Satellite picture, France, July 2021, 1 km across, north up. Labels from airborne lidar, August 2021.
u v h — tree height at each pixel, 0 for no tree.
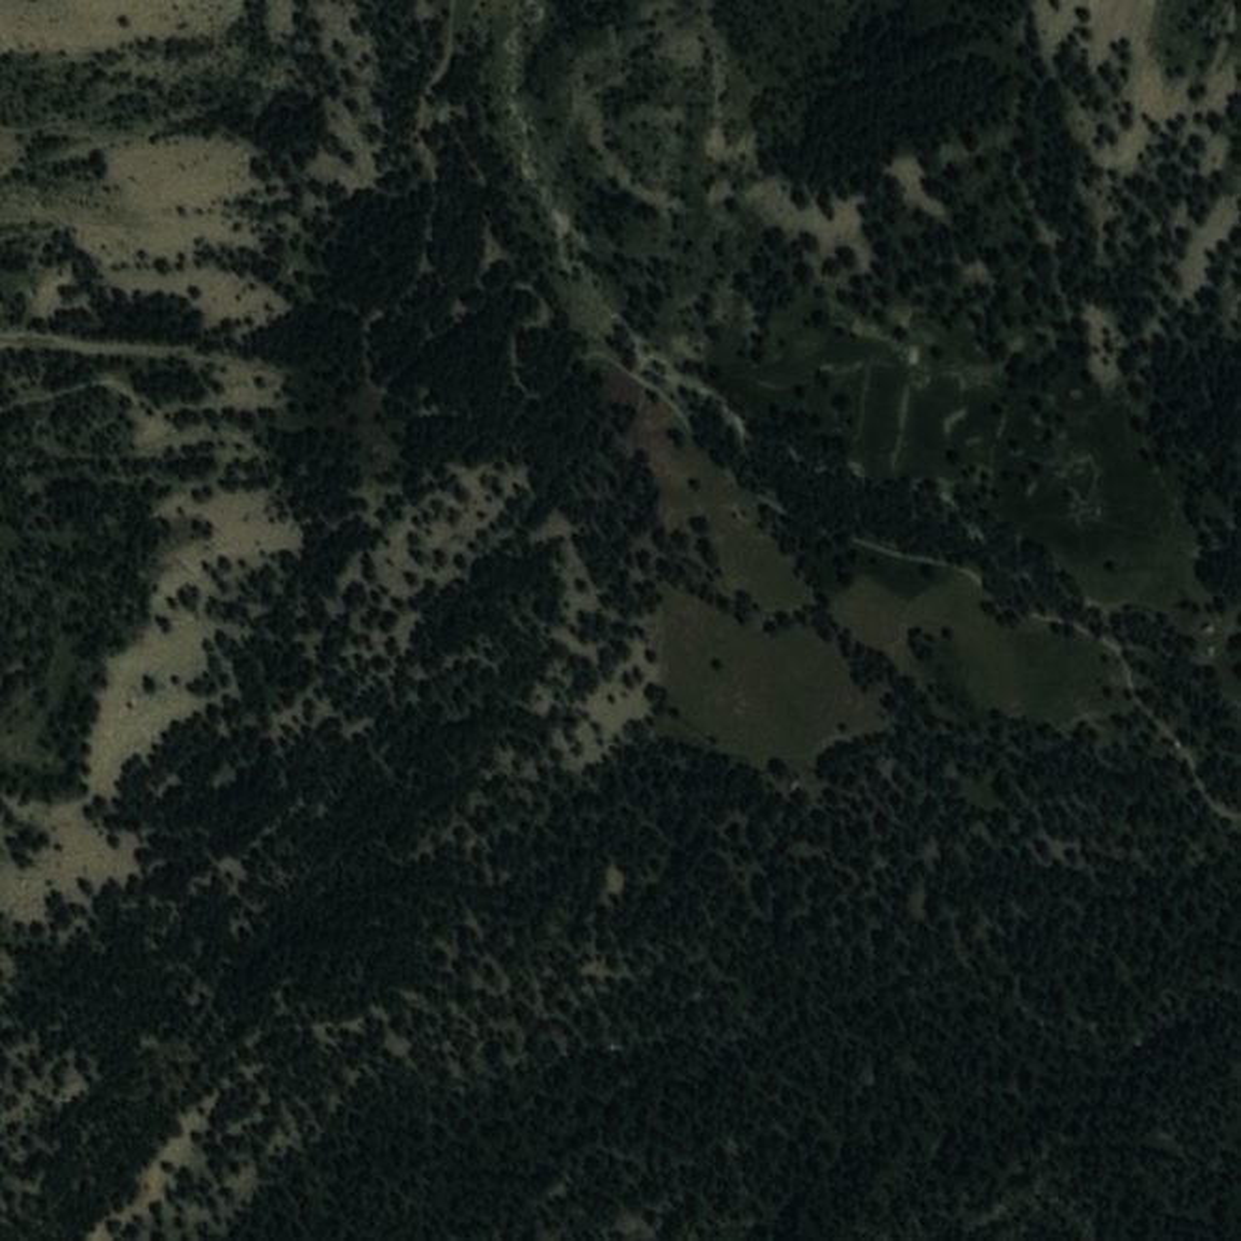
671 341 0
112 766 0
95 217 0
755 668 0
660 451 0
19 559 17
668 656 0
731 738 0
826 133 22
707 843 22
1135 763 13
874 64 17
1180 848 19
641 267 20
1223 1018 19
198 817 19
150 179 0
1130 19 0
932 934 26
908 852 10
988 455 0
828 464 11
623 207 20
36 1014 9
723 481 0
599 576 22
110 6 0
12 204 0
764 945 20
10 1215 7
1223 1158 12
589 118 0
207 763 16
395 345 20
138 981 14
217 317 0
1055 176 12
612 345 16
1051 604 16
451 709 8
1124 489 0
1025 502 0
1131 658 11
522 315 17
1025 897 26
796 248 9
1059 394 0
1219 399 23
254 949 11
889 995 23
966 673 0
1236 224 0
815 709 0
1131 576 0
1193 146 11
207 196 0
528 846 20
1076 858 18
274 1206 21
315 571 12
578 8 6
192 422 15
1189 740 14
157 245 0
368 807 19
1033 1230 12
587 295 0
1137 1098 20
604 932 24
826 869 23
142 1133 8
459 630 15
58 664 0
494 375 20
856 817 14
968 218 14
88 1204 9
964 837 24
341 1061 17
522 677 16
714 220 0
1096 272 18
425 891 15
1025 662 0
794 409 0
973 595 0
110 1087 11
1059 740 11
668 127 0
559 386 13
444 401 20
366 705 15
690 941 17
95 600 6
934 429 0
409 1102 17
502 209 18
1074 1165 20
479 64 12
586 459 20
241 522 0
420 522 12
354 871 16
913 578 0
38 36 0
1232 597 17
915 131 24
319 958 19
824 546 16
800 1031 25
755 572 0
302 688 15
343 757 15
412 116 8
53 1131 14
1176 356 25
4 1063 20
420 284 11
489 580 15
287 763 14
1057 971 24
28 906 0
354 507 17
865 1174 22
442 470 16
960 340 0
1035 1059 15
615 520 20
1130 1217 19
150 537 10
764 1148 30
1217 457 25
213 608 14
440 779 14
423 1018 22
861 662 12
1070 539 0
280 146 12
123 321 9
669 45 0
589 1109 23
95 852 0
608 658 24
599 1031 24
